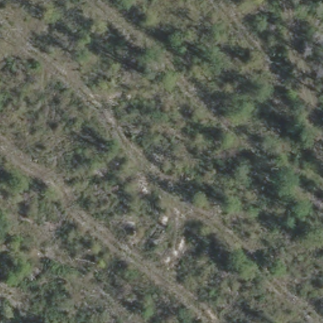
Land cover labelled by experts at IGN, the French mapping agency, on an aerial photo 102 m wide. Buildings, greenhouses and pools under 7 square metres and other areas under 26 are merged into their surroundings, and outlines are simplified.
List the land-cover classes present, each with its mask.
<instances>
[{"label":"coniferous trees","instance_id":"1","mask_svg":"<svg viewBox=\"0 0 323 323\"><path fill-rule=\"evenodd\" d=\"M188 15L194 20H201L207 15L211 16L213 23L226 24L225 32L228 35L225 47L221 50L226 56L238 58L244 63L250 61L252 52L265 53L270 58V71L279 74L280 82L274 87L271 95L261 103L257 109L259 112L254 110L251 103H245L237 115L214 116L204 102L199 100L196 87L184 76L178 79L172 90L165 86L164 78L167 74L164 72L159 71L151 79L144 76L146 66L141 62V57L146 53V47L153 45L156 40L163 43L165 50L170 52L173 45L170 37L178 33L179 29H185L188 24L185 18ZM252 134L260 135L264 139V150L279 155V158L275 159V164L293 168L299 178V187L323 202V0H264L259 8L245 15L242 11H236V4L230 0H0V323H323V273L299 275L297 278H290L286 273L283 276H275L273 269L285 244L276 242V246L273 247L264 238L257 240L256 235L241 240L236 232L222 225L221 207L228 208L223 184L231 178L217 173L212 160L230 158L242 150L254 153L255 148L249 143V139ZM236 249H244L247 259L254 261L259 267L255 271L254 279H242L230 269V251Z\"/></svg>","mask_w":323,"mask_h":323},{"label":"deciduous trees","instance_id":"2","mask_svg":"<svg viewBox=\"0 0 323 323\"><path fill-rule=\"evenodd\" d=\"M236 4V11H242L245 15L259 8L264 0H230ZM188 24L185 29H179L178 33L170 37L173 45L170 52L165 50L163 43L156 40L153 45L146 47V53L141 57V62L146 66L144 76L151 79L159 71L164 72L167 74L164 78L165 86L172 90L178 79L184 76L196 87L199 100L204 102L214 116L237 115L245 103H251L254 110L259 112L257 109L261 103L271 95L274 87L280 82L279 74L270 71V58L265 53L252 52L250 61L244 63L238 58L226 56L221 50L225 47L228 35L225 32L226 24L213 23L211 16L207 15L201 20H194L188 15L185 18ZM249 143L255 148L254 153L242 150L230 158L212 160L217 173L231 178L223 184L228 208L221 207L222 225L236 232L241 240L256 235L257 240L264 238L273 247L276 246V242L285 244L273 269L275 276H283L286 273L290 278H297L299 275L323 273V202L299 187V178L293 168L275 164V159L279 158V155L264 150V139L260 135L252 134L249 139ZM230 269L242 279H254L255 271L259 267L254 261L247 259L244 249H236L230 251Z\"/></svg>","mask_w":323,"mask_h":323}]
</instances>
